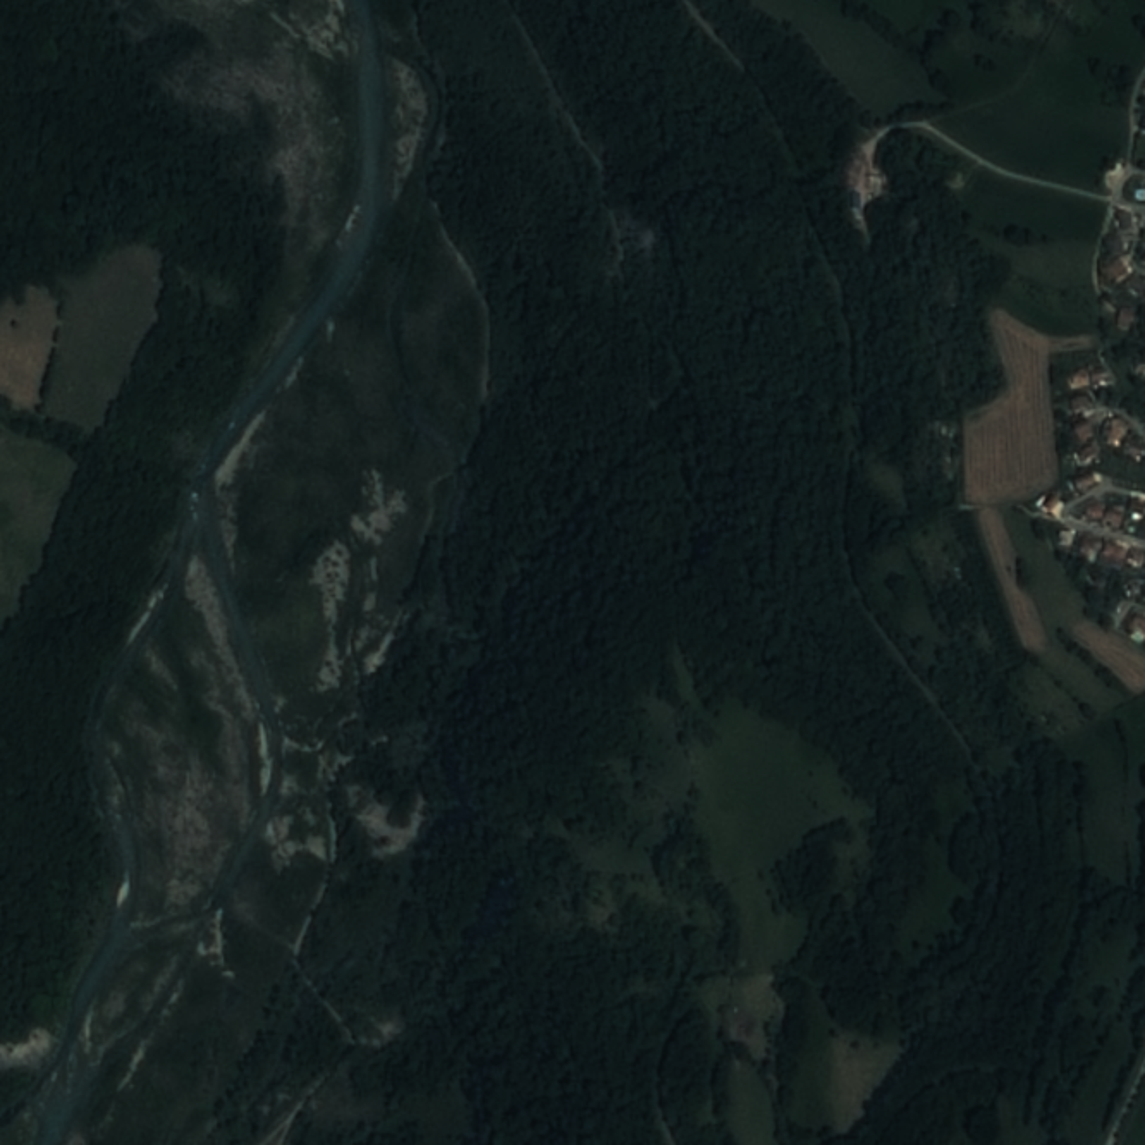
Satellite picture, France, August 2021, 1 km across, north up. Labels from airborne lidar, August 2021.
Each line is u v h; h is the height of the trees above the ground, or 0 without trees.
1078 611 0
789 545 15
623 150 19
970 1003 20
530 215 22
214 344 22
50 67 23
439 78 12
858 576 13
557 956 16
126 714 0
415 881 15
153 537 20
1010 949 11
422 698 7
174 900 0
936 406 10
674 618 20
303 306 0
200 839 0
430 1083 11
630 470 22
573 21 18
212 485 0
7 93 22
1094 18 0
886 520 6
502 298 19
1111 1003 12
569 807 7
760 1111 0
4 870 19
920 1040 19
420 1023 12
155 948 0
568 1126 22
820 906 12
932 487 7
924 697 9
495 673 25
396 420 0
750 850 0
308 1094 7
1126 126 0
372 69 0
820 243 13
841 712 32
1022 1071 14
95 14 24
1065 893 18
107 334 0
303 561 7
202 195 23
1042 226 0
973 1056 20
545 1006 18
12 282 14
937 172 22
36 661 29
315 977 6
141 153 27
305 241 0
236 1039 0
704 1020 8
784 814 0
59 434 16
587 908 11
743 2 6
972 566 8
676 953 7
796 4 0
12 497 0
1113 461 0
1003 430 0
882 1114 20
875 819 5
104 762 0
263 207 11
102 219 23
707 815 0
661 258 12
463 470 12
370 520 0
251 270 13
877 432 19
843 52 0
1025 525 0
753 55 13
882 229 6
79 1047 0
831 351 13
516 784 18
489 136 9
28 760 21
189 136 15
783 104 16
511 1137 20
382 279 0
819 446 23
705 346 16
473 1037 22
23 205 18
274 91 0
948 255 13
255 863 0
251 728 0
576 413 16
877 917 25
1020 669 11
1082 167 0
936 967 19
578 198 11
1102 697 0
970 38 0
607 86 19
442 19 8
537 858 16
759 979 0
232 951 0
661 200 22
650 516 20
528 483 22
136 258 0
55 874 18
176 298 18
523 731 27
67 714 20
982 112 0
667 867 16
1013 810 22
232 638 0
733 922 8
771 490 18
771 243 14
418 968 12
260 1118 8
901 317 19
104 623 23
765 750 0
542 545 16
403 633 10
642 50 12
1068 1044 23
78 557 23
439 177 13
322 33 0
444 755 8
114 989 0
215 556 0
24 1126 0
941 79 16
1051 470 0
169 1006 0
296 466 0
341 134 0
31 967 18
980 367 6
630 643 23
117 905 0
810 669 28
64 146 20
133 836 0
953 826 0
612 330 16
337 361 0
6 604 0
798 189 16
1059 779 16
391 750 12
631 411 20
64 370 0
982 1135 18
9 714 24
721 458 24
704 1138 8
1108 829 0
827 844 12
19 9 21
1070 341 0
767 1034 7
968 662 15
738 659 28
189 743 0
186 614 0
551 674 25
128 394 9
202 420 10
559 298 25
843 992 16
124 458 23
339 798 15
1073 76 0
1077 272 0
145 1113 0
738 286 21
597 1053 14
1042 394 0
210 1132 8
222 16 0
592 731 18
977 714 7
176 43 8
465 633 10
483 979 12
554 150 6
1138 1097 9
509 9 10
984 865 16
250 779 0
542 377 13
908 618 0
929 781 19
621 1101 22
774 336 13
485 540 12
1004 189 0
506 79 6
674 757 0
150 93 17
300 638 0
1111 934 13
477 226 14
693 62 17
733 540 23
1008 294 0
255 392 0
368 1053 9
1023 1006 18
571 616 29
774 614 18
